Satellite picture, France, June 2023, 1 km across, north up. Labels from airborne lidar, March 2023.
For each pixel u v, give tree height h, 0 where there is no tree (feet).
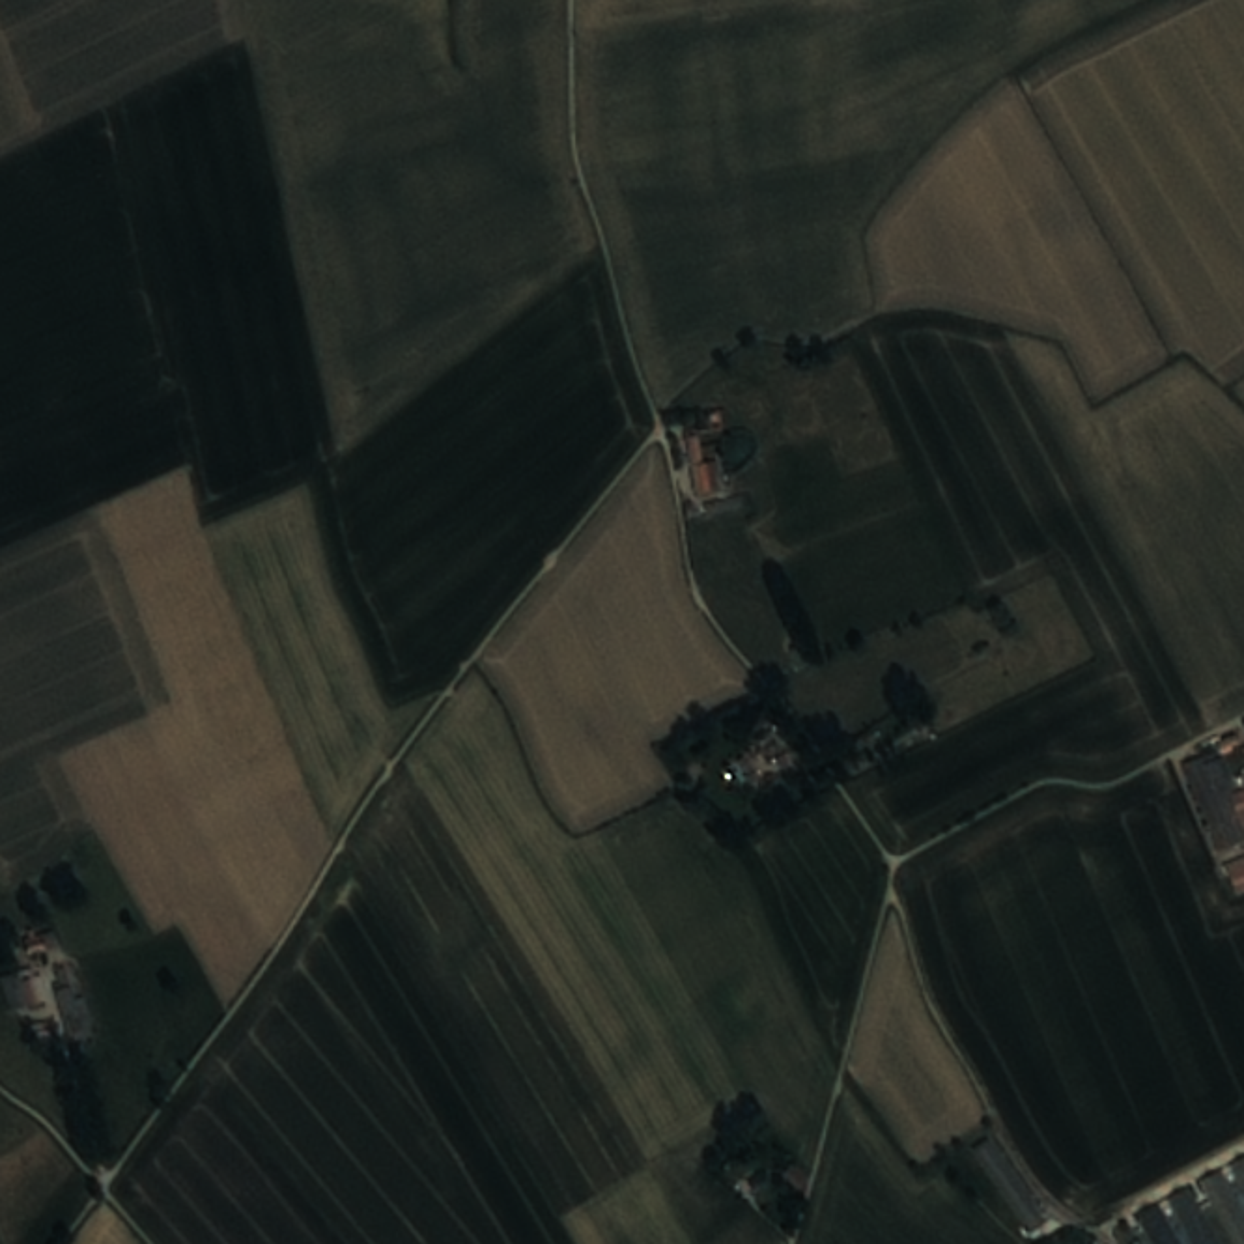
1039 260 0
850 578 0
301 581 0
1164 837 0
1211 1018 0
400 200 0
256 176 0
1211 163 0
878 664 0
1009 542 0
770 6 0
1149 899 0
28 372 0
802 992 0
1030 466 0
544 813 0
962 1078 0
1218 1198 0
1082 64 0
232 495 0
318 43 0
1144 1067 0
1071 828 0
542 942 0
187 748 0
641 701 0
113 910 0
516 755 0
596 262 0
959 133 0
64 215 0
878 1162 0
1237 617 0
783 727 91
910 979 0
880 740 0
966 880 0
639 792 0
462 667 0
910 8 0
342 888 0
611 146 0
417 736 0
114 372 0
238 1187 0
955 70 0
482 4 0
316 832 0
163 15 0
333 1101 0
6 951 95
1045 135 0
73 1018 0
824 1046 0
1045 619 0
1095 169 0
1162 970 0
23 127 0
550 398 0
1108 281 0
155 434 0
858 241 0
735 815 0
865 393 0
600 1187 0
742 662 0
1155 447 0
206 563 0
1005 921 0
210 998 0
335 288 0
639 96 0
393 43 0
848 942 0
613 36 0
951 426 0
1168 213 0
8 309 0
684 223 0
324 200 0
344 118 0
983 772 0
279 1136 0
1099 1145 0
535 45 0
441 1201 0
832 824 0
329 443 0
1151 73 0
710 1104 0
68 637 0
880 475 0
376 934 0
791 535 0
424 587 0
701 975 0
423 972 0
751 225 0
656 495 0
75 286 0
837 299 0
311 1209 0
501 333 0
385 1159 0
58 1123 0
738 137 0
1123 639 0
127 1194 0
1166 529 0
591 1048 0
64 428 0
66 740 0
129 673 0
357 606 0
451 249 0
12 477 0
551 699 0
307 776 0
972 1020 0
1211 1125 0
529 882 0
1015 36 0
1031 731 0
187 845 0
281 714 0
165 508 0
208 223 0
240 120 0
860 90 0
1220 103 0
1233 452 0
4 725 0
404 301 0
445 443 0
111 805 0
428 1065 0
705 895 0
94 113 0
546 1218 0
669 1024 0
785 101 0
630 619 0
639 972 0
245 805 0
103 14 0
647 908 0
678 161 0
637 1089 0
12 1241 0
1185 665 0
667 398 0
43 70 0
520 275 0
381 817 0
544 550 0
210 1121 0
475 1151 0
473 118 0
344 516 0
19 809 0
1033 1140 0
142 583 0
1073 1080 0
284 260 0
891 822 0
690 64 0
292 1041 0
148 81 0
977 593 0
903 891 0
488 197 0
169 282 0
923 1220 0
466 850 0
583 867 0
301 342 0
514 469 0
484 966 0
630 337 0
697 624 0
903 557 0
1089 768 0
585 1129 0
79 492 0
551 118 0
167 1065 0
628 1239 0
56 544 0
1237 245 0
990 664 0
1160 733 0
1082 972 0
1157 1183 0
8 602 0
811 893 0
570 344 0
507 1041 0
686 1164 0
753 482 0
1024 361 0
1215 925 0
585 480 0
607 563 0
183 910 0
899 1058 0
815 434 0
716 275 0
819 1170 0
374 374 0
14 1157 0
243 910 0
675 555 0
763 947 0
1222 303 0
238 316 0
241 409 0
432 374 0
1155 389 0
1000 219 0
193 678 0
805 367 38
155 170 0
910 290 0
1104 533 0
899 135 0
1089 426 0
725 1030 0
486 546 0
